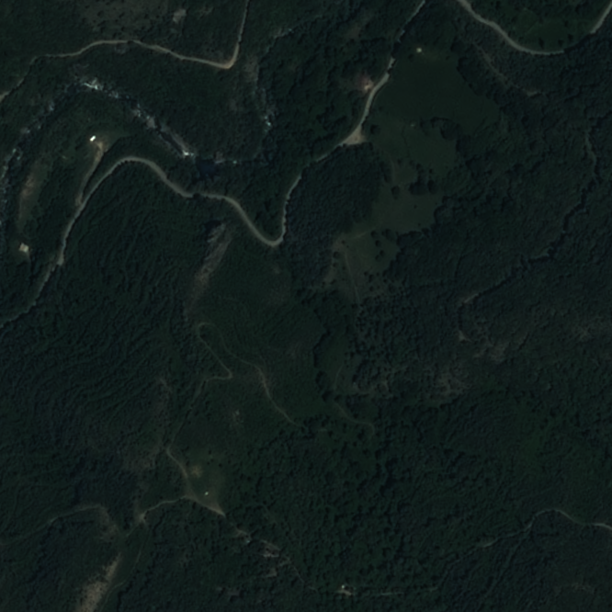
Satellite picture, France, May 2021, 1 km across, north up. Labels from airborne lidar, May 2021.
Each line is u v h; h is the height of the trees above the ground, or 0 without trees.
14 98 17
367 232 0
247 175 24
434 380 9
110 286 8
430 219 0
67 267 7
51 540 13
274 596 16
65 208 8
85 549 12
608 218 15
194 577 14
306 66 12
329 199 15
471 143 7
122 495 9
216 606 12
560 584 12
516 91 10
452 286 12
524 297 14
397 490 23
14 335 16
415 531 17
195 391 8
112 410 7
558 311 7
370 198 17
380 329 13
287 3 19
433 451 21
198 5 10
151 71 16
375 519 25
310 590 7
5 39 17
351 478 11
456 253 21
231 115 13
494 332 10
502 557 7
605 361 9
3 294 13
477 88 14
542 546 14
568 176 20
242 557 15
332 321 26
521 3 16
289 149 22
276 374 7
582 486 6
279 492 9
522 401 20
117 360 7
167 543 10
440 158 0
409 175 0
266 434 8
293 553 14
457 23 14
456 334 15
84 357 9
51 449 10
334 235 8
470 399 22
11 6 16
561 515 11
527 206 15
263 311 6
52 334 6
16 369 6
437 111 0
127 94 10
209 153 13
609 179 15
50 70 24
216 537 9
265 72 22
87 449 9
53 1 11
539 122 16
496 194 13
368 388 9
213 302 6
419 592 15
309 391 7
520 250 21
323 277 12
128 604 12
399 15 9
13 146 12
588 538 15
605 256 15
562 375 13
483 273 21
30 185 0
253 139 15
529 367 17
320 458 21
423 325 11
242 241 9
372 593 19
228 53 8
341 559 11
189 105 14
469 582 11
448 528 8
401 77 0
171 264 6
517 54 10
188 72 13
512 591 9
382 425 10
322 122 20
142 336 6
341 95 12
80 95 6
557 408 10
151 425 6
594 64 23
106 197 8
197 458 0
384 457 17
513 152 6
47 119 6
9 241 11
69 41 15
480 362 16
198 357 8
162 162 6
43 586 15
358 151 18
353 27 11
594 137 15
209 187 14
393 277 10
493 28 11
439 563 6
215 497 0
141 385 6
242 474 9
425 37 20
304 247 10
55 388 8
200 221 8
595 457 8
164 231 6
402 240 17
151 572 10
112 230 7
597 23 0
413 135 0
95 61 11
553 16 20
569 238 15
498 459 8
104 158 10
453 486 7
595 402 17
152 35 13
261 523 15
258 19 17
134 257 8
